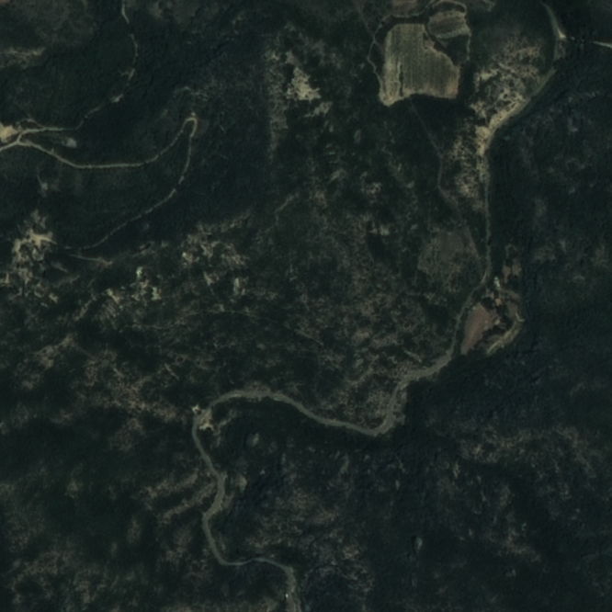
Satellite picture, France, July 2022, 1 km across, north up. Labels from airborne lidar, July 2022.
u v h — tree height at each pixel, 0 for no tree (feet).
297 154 37
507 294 18
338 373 26
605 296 31
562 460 24
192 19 31
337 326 20
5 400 23
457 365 30
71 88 21
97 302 18
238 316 21
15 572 22
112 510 21
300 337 18
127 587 19
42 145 20
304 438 37
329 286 20
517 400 19
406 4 0
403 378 0
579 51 36
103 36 30
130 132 25
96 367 21
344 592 18
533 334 17
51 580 25
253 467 29
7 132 0
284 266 20
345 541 25
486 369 27
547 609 20
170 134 25
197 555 20
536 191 22
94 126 29
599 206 34
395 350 22
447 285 21
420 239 20
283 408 29
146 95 30
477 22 29
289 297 19
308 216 19
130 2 0
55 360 20
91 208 22
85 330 21
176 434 22
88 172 22
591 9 22
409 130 18
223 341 27
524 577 28
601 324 18
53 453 26
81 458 18
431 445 20
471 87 19
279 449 20
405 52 0
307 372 28
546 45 21
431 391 33
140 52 27
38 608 20
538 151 25
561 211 23
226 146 19
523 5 26
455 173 27
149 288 20
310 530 24
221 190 22
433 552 19
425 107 21
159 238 20
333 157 25
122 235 18
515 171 29
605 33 40
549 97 28
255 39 19
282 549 17
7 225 28
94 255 20
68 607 43
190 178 18
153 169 28
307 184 34
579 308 28
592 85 23
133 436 17
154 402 18
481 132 0
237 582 24
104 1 32
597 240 24
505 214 21
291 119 24
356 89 19
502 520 22
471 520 21
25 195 22
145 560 18
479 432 28
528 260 22
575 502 21
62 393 25
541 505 20
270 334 18
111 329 27
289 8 18
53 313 23
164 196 19
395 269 24
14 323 18
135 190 21
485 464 23
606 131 21
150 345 22
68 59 25
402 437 57
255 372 19
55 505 21
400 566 17
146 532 23
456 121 17
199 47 24
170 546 20
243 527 24
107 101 20
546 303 31
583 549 25
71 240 23
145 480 20
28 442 19
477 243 28
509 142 24
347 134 19
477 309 0
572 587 20
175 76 21
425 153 17
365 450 38
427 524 17
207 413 0
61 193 19
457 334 20
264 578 19
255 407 29
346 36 21
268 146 19
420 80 0
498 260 18
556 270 19
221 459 30
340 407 19
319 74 21
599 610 20
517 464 24
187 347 23
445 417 20
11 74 26
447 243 0
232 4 18
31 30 18
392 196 19
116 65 20
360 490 20
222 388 19
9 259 18
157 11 0
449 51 19
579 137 23
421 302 21
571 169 20
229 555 25
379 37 22
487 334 20
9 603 23
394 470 18
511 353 24
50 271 20
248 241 19
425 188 20
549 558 27
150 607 22
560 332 27
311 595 19
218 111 19
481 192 25
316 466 20
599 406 18
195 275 19
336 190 22
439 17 0
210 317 19
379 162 19
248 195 22
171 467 19
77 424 18
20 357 18
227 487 26
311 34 23
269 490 29
